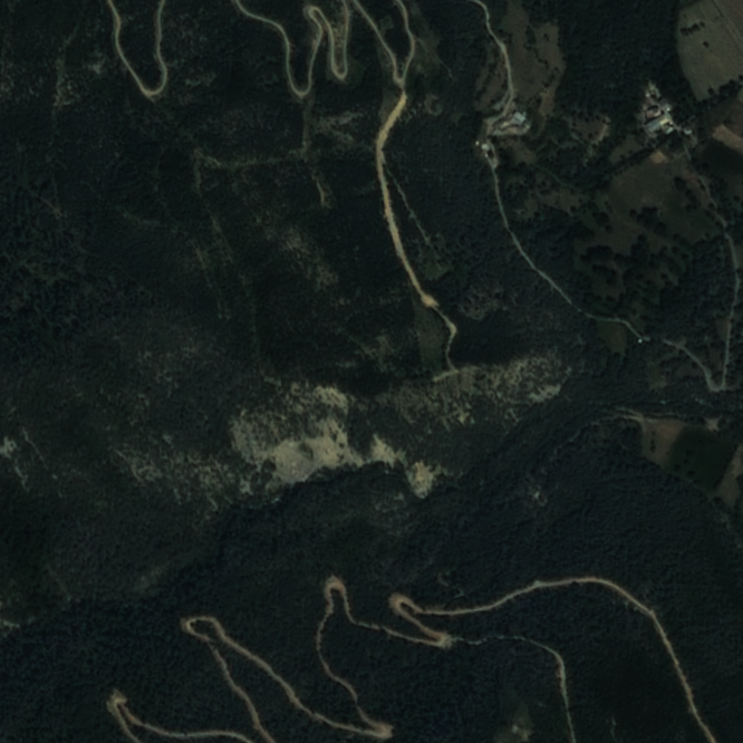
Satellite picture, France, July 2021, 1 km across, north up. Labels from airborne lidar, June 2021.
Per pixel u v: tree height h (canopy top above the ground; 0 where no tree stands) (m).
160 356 7
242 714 10
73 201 8
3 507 10
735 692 6
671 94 9
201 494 7
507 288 17
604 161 13
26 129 8
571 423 12
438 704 9
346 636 11
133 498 12
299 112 8
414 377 8
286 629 6
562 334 8
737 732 9
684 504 12
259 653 9
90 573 12
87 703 12
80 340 8
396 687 10
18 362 16
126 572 11
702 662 9
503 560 16
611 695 6
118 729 8
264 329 7
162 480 6
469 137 9
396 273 9
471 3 6
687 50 0
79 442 6
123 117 8
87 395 7
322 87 10
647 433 0
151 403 8
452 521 7
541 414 11
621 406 7
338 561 11
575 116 9
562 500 12
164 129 11
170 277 7
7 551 9
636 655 11
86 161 8
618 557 11
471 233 16
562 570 14
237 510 14
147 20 6
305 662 13
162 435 7
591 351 12
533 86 0
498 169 7
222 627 6
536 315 7
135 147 7
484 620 8
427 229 8
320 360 6
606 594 14
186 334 6
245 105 7
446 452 6
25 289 9
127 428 8
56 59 7
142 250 6
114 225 8
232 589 13
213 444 10
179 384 10
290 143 7
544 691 8
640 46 12
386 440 7
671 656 7
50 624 9
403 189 9
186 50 7
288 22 7
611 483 9
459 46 11
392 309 6
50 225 7
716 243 10
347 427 7
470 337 8
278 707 9
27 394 9
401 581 12
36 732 19
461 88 11
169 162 10
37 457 7
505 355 8
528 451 10
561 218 15
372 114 5
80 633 23
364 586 6
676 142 11
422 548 11
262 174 6
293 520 10
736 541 13
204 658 9
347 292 7
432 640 7
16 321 12
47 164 7
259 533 10
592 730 8
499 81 0
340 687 12
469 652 17
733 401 8
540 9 10
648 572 14
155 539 11
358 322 6
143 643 19
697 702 10
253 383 6
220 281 7
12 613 10
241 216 8
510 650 13
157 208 6
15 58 6
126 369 8
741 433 17
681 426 0
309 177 9
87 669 14
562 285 12
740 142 0
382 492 7
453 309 6
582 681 16
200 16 5
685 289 13
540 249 15
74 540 15
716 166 0
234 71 12
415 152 7
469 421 7
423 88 8
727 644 14
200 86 10
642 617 15
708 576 11
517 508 11
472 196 10
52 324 13
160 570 6
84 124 8
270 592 10
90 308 17
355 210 9
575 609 12
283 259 6
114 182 8
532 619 16
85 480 6
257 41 9
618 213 0
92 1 7
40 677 15
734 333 9
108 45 7
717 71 0
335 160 8
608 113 9
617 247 0
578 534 11
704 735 7
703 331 11
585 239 16
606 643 9
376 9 8
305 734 13
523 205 6
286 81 10
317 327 7
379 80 7
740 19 0
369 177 9
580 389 7
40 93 10
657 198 0
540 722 6
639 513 12
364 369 8
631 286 11
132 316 12
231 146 9
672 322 12
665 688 9
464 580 12
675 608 12
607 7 11
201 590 18
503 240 13
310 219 5
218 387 11
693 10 0
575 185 6
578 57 12
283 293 7
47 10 9
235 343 7
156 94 0
